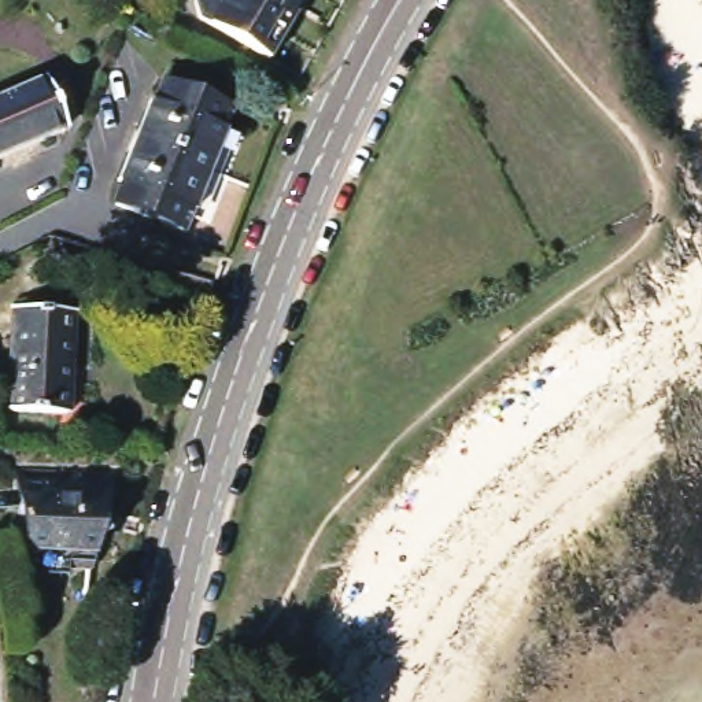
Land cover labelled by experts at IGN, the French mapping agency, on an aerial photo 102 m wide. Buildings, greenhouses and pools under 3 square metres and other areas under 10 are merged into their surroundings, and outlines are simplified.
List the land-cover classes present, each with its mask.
<instances>
[{"label":"herbaceous vegetation","instance_id":"1","mask_svg":"<svg viewBox=\"0 0 702 702\"><path fill-rule=\"evenodd\" d=\"M16 14L22 19H30L41 27L49 49L58 55L44 63H36L30 55L19 49L0 47V90L33 74H52L69 96L71 115H80L99 60H88V52L80 41H96L115 33L112 25L104 22L93 27L88 22V8L77 5L74 0H0V19ZM359 0H302V8H293V19L280 36V47L271 52V58L255 52L250 58L247 71H266L271 80V90L277 96H285L280 118L271 115L258 123L255 132L241 134L239 159L233 162L230 178L247 184V195L241 200V211L230 230V239L225 244L219 241V252L203 258L195 266V271L181 274L184 280L208 285L236 266H247V252L241 241L258 244L263 236V230H255L252 225L255 219H263L266 197L271 195V186L282 173V162L291 156L285 154V145L293 140L291 123H302L307 118L304 96L310 85L321 88L332 77V69L326 66L329 55L337 47V36L348 27V22H354ZM444 19L441 27H422L420 44L428 55L422 58V63L406 69L403 82L395 90V101L384 110V121L389 123L378 126V134L367 148L362 170L351 181L356 186V219L346 236L329 239V250L321 252L324 271L313 274V280L304 285L302 302L307 304V315L299 326L288 329L285 340L293 351L291 365L280 367L277 362H271V384L280 387V403L274 414L258 417V425L266 431V444L255 455L250 485L241 494H236L230 521L239 527V540L233 551L222 554L217 570L219 576H225V590L214 592L211 614L217 617V628L225 631L236 628L244 617L252 614V609H261L266 601H280L282 587L293 573V565L307 537L324 518V513L332 507V502L346 491V474L367 469L370 461L384 450V444L417 411H422L444 387H450L463 370H469L480 356H485L499 343V335L505 329L521 326L559 293L581 282L603 263H609L650 222V192L625 137L617 134L612 123L559 74L548 55L529 38V33L521 30V25L499 5V0H447V5L439 8ZM450 77H463L472 93L485 101L488 132L483 137L477 132V118L472 115L469 101L450 82ZM491 145H499V151L507 156L510 176L518 192L524 195L537 230L546 239H554V252H562L565 247L576 252V263L551 274L546 282L529 285V293H524L518 302H510L507 307H499L491 321H466L461 315L450 326L447 337L436 340L428 348L409 351L411 324H420L428 315H433L450 299V293H480L485 288L483 277L505 274L516 263H543L540 247L532 241L529 230L524 228L513 200L507 197L499 181V165L488 154ZM543 27V33L557 44V49L570 60V66L592 85V90L603 101H609L614 110H620L622 104V74L612 58L614 25L598 14L595 0H516ZM176 25L211 41H219L225 47L230 38L197 22L186 11L173 14ZM154 71L165 77L173 74L197 80L217 88L222 96L236 93V71L228 60H181L176 49L167 44L154 41V36L143 27H132L126 44ZM36 247L55 261L104 250L101 241L85 239L80 233L49 230L41 239L14 250L22 266L8 282H0V337L14 332L16 302L77 304V296H71L63 288H38V280L33 277ZM579 307L559 310L543 326L518 340L485 373H480L411 439H406L384 463V469L359 491V496L329 524L324 540L318 543L315 554L321 559H340L343 554H348L356 548V537L373 521V516L387 507L395 491L403 485L406 472L422 469L431 452L447 441L455 422L477 406L483 395L496 392L505 378L527 373L532 356L546 354L557 335L579 324ZM16 362L8 356V348L0 340V417L11 433L30 436L38 433L47 417L11 411ZM88 376L99 381L104 398L99 403L85 406L77 414L80 420H90L110 422L129 436L132 431H143L167 452L176 444L178 406L145 400L137 389V373L123 370L110 351H104L101 365L88 359ZM614 527L622 529L628 537L622 562L612 565L609 559L590 557V565H584L581 573H573L565 562L557 587L543 590L548 598L565 595L573 603L581 628H595L598 642L606 647L614 644L612 633L636 609H642L653 592H669L683 603H694L702 598V463L694 474L686 469H675L664 455H658L647 466L642 485L631 494L625 518L614 521ZM0 529H19V537L27 551L30 581L38 592V614L33 631L36 636H41V650H36L27 658V664H36V702H107V694L99 686L74 683L66 666V631L80 603L71 601V595H66V584L71 590H80L82 573L66 581V576H58L52 568L44 565V551L36 548V543L30 540L27 521L16 516V505L0 502ZM137 546V537L121 529L107 557L93 559L90 584L96 579H104L110 570L121 554ZM340 576L337 570H321L310 581V587L302 584L293 592L291 603H313L318 598H332Z\"/></svg>","mask_w":702,"mask_h":702},{"label":"bare soil","instance_id":"2","mask_svg":"<svg viewBox=\"0 0 702 702\"><path fill-rule=\"evenodd\" d=\"M655 27L661 38L672 47L669 60V66H688V80L680 101L683 126H702V0H655ZM625 337L614 346H606L601 335H595L590 326L579 324L557 335L546 354L532 356L527 373L505 378L496 392L483 395L477 406L455 422L447 441L431 452L422 469L406 472L403 485L395 491L387 507L373 516V521L356 537V548L348 554V570L340 576L332 598L337 603L343 617L354 620H367L378 612H392V633L400 639L398 655L403 658V669L389 702H702V598L694 603H683L669 592H653L642 609H636L612 633L614 644L606 647L598 642L595 628H581L573 603L565 595L548 598L543 590L557 587L565 562L573 573H581L584 565H590V557L609 559L612 565L622 562L628 537L622 529L614 527V521L625 518L631 494L642 485L647 466L658 455H664L675 469H686L694 474L702 463V258L688 263L686 271H677L672 291L661 302L658 296L653 299L650 304L636 307L633 318L622 326Z\"/></svg>","mask_w":702,"mask_h":702},{"label":"impervious surface","instance_id":"3","mask_svg":"<svg viewBox=\"0 0 702 702\"><path fill-rule=\"evenodd\" d=\"M447 5V0H359L354 22H348V27L337 36V47L329 55L326 66L332 69V77L321 88L310 85L304 96L307 118L302 123H291L293 140L285 145V154L291 156L282 162V173L271 186V195L266 197L263 219H255L252 225L255 230H263V236L258 244L241 241L247 252V266H236L208 285L184 280L181 274L195 271V266L203 258L219 252V241L225 244L230 239V230L241 211V200L247 195V184L230 178L222 176L219 189L200 203V222L192 230H173L159 219L110 208L112 192L126 181L132 154L151 118L156 85L165 77L154 71L126 44L112 60L110 90L99 99L96 126L85 140V159L90 162L93 181L74 178L63 200L0 230V252L14 250L41 239L49 230L80 233L85 239L101 241L104 250L112 252L118 261L134 263L137 269L167 274L176 285H184L181 299L186 304H195L200 296H217L219 302L222 332H211V337H217V343H222L225 351L200 373L184 376L192 387L186 389L178 406L176 444L167 452L162 485L148 483L143 502H137L134 513L123 524H110L99 554L60 548L44 551V565L52 568L58 576H66V581L82 573L80 590H71L66 584V595H71V601L80 603L88 598L90 584L93 559L107 557L121 529L137 537V546L121 554L110 570L129 587L132 581H140V592H134V601L140 606L134 609L137 631L129 655V677L123 686H112L107 694V702H181L192 683L195 653L217 647L225 631L217 628V617L211 614L214 592L225 590V576H219L217 570L222 554L233 551L239 540V527L230 521L236 494H241L250 485L255 455L266 444V431L258 425V417L274 414L280 403V387L271 384V362H277L280 367L291 365L293 351L285 340L288 329L299 326L307 315V304L302 302L304 285L313 280V274L324 271L321 252L329 250V239L346 236L356 219V186L351 181L362 170L367 148L378 134V126L389 123L384 121V110L395 101V90L403 82L406 69L422 63V58L428 55L420 44L422 27H441L444 19L439 8ZM653 82L664 90V107L661 126L655 132L647 129L644 134L653 170L669 189V206L686 219V225L675 230V247H666L650 266L653 285H644L642 293L644 299H653L658 296L661 302L672 291L677 271H686L688 263L702 258V126H683L680 101L688 80V66H669V60L661 69L650 71ZM74 148V132L44 140L41 151L27 165L11 167L5 176H0V219L27 206L30 200L47 195L49 176H58L63 170L66 154ZM595 335H601L606 346H614L625 337L622 326L614 324V315H595L590 326ZM47 444L38 447L30 458L25 452H14V461L19 466H77L52 463ZM362 625V639L370 653H378L381 647L392 653L387 661H373L365 677V691L370 694V699L354 697V702H389L403 669V658L398 655L400 639L392 633V612H378L367 620H354L343 617L337 603L318 622V636L326 644H346L351 633Z\"/></svg>","mask_w":702,"mask_h":702},{"label":"deciduous trees","instance_id":"4","mask_svg":"<svg viewBox=\"0 0 702 702\"><path fill-rule=\"evenodd\" d=\"M77 5L88 8V22L93 27L104 22L112 25L115 33L96 41L101 47L99 58L112 60L126 44L132 27H143L154 36V41L167 44L170 27L176 25L173 14L186 11L189 0H74ZM598 14L614 25L612 58L622 74V104L631 110L639 132L644 134L647 129L655 132L661 126L664 107V90L653 82L650 71L661 69L669 60L672 47L661 38L655 27V0H595ZM236 93L239 112L255 118L258 123L271 115L280 118L285 96H277L271 90V80L266 71H236ZM33 277L38 280V288H63L71 296H77V304L80 315L88 321V359L101 365L104 351H110L123 370L137 373V389L145 400L178 406L186 389L192 387L184 376L200 373L225 351L222 343H217V337H211V332H222L219 302L217 296H200L195 304H186L181 299L184 285H176L167 274L137 269L134 263L118 261L112 252L104 250L55 261L36 247ZM85 439L96 452L112 455L121 444H126L129 436L110 422L90 420L85 425ZM38 614V592L30 581L27 551L19 537V529H0V650L3 661L8 655L27 658L36 650H41V636H36L33 631ZM134 592H140V581H132L129 587L110 570L104 579H96L90 584L88 598L80 603L66 631V666L74 683L99 686L107 694L112 686H123L129 677V655L137 631L134 609L140 606L134 601ZM337 603L332 598H318L313 603H291L280 601H266L261 609H252V614L244 617L236 628L225 631L217 647L195 653L192 683L181 702H354V697L370 699V694L365 691V677L373 661H387L392 653L381 647L378 653H370L362 639V625L351 633L346 644H326L318 636V622Z\"/></svg>","mask_w":702,"mask_h":702},{"label":"building","instance_id":"5","mask_svg":"<svg viewBox=\"0 0 702 702\"><path fill-rule=\"evenodd\" d=\"M293 8H302V0H189L186 11L197 22L230 38L255 52L271 58V52L280 47V36L293 19ZM82 123L80 115H71L69 96L52 74H33L0 90V151L25 143L36 134L44 140L74 132ZM258 123L255 118L239 112L236 93L222 96L217 88L197 80L173 74L165 77L156 85L151 118L132 154L126 181L112 192L110 208L159 219L173 230H192L200 222V203L219 189L222 176L230 178L233 162L239 159L241 134L255 132ZM0 340L8 348V356L16 362L11 411L47 417L69 422L74 417L69 406L85 395L88 376V321L80 315L77 304L16 302L14 332L0 337ZM148 483V477H126L121 469L110 466H19L14 472L11 491H0V502L16 505V516L27 521L30 540L36 543V548L44 551L60 548L99 554L110 524H123L134 513L137 502H143Z\"/></svg>","mask_w":702,"mask_h":702},{"label":"brushwood","instance_id":"6","mask_svg":"<svg viewBox=\"0 0 702 702\"><path fill-rule=\"evenodd\" d=\"M176 49L181 60H228L236 71H247L250 58L255 52L230 38L225 47L219 41H211L176 25L170 27L167 44ZM88 52V60H99L80 115L82 123L74 132V148L66 154L63 170L58 176H49L47 195L30 200L27 206L0 219V230L63 200L74 178L93 181L90 162L85 159V140L96 126L99 99L110 90L112 60L99 58L101 47L96 41H80ZM450 82L469 101L472 115L477 118V132L483 137L488 132L485 101L472 93L463 77H450ZM488 154L499 165V181L507 197L513 200L524 228L529 230L532 241L540 247L543 263H516L505 274L483 277L485 288L480 293H450V299L433 315H428L420 324H411L409 351L428 348L436 340L447 337L450 326L461 315L466 321H491L499 307H507L510 302H518L524 293H529V285L546 282L551 274L576 263V252L565 247L562 252H554V239H546L537 230L524 195L518 192L510 176L507 156L499 151V145H491ZM22 266L14 250L0 252V282H8ZM104 398L99 381L88 376L85 395L69 406L74 417L69 422L47 417L38 433L30 436L11 433L0 417V491H11L14 472L19 466L14 461V452H25L30 458L38 447L47 444L52 463L77 466H110L121 469L126 477H148V483L162 485L167 452L143 431H132L129 436L126 444H121L112 455L96 452L85 439V425L90 420H80L77 414L85 406L99 403ZM36 664H27V658L8 655L3 661L0 650V702H36Z\"/></svg>","mask_w":702,"mask_h":702},{"label":"pervious surface","instance_id":"7","mask_svg":"<svg viewBox=\"0 0 702 702\"><path fill-rule=\"evenodd\" d=\"M499 5L521 25V30L529 33V38L548 55L559 74L612 123L617 134L625 137L650 192V222L609 263H603L581 282L559 293L521 326L505 329L499 335V343L485 356H480L469 370H463L450 387H444L422 411H417L384 444V450L370 461L367 469L346 474V491L332 502V507L324 513V518L307 537L293 565V573L282 587L280 601L291 603L293 592L302 584L310 587V581L321 570H337L340 576L348 570V554H343L340 559H321L315 554L318 543L324 540L329 524L359 496V491L384 469V463L406 439H411L480 373H485L518 340L543 326L559 310L579 307V324L590 326L595 315H614V324L622 326L633 318L636 307L650 304L653 299H644L642 293L644 285H653L650 266L666 247H675V230L686 225V219L669 206V189L653 170L644 134L639 132L631 110L622 104L620 110H614L609 101H603L592 90V85L570 66V60L557 49V44L543 33V27L516 0H499ZM0 47L19 49L30 55L36 63H44L58 55L49 49L41 27L30 19H22L16 14L0 19ZM44 140L36 134L25 143L0 151V176H5L11 167L27 165L41 151Z\"/></svg>","mask_w":702,"mask_h":702}]
</instances>
